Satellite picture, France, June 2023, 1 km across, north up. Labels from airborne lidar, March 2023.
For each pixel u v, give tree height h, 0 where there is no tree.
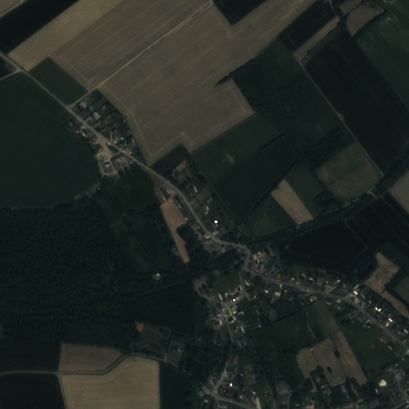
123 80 0
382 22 0
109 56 0
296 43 0
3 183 0
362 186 0
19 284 17
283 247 0
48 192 0
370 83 0
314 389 0
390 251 0
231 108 0
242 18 0
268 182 0
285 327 0
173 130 0
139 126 0
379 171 0
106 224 9
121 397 0
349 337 0
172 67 0
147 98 0
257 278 11
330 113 0
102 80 0
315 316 0
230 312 0
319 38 0
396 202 0
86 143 0
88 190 0
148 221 0
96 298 16
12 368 0
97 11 0
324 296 0
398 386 0
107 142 0
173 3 0
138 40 0
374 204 0
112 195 0
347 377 0
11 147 0
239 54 0
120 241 0
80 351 0
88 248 16
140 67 0
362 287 10
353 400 6
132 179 0
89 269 15
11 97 0
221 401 0
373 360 0
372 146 0
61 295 16
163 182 0
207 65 0
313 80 0
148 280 10
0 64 0
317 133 0
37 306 14
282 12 0
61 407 0
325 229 0
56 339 8
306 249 0
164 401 0
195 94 0
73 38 0
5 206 0
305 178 0
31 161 0
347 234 0
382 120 0
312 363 0
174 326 9
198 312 0
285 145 0
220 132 0
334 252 0
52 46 0
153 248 0
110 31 0
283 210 8
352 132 0
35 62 0
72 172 0
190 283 26
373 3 0
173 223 0
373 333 0
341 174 0
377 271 0
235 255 13
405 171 6
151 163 0
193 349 16
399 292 0
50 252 17
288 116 0
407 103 0
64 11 0
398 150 0
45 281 16
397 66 0
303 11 0
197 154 0
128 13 0
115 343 22
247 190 0
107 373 0
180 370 14
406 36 0
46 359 0
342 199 0
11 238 17
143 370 0
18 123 0
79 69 0
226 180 0
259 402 0
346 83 0
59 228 17
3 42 0
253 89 0
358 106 0
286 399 0
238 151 0
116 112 8
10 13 0
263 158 0
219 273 0
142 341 0
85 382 0
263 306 0
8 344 0
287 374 0
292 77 0
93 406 0
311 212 0
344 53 0
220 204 0
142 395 0
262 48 0
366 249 0
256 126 0
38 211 16
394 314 0
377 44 0
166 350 6
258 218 0
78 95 0
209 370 7
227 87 0
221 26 0
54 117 0
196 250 11
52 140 0
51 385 0
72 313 15
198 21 0
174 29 0
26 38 0
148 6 0
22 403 0
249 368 0
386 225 0
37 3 0
